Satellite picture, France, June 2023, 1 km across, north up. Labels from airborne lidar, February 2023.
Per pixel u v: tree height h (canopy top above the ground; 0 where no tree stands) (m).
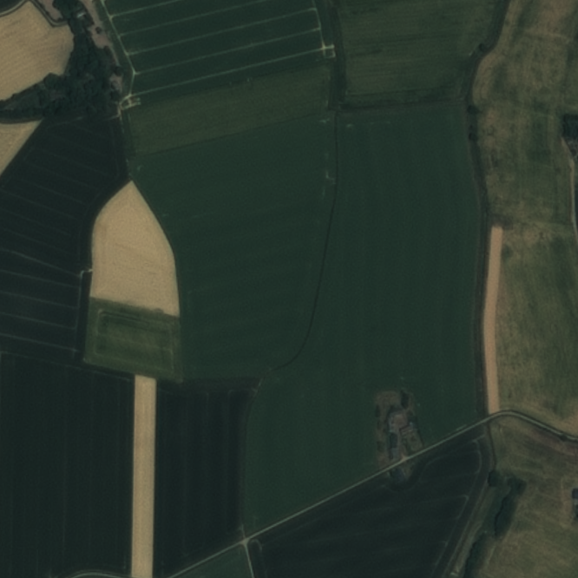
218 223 0
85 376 0
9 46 0
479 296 0
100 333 0
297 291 0
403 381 0
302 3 0
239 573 0
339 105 0
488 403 0
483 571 0
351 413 0
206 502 0
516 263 0
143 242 0
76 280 0
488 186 0
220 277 0
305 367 0
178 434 0
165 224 0
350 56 0
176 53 0
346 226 0
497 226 0
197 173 0
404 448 0
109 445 0
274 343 0
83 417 0
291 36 0
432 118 0
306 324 0
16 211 0
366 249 0
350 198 0
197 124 0
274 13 0
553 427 0
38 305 0
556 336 0
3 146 0
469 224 0
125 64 0
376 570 0
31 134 0
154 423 0
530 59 0
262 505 0
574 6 0
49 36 0
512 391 0
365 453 0
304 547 0
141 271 0
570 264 0
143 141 0
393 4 0
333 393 0
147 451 0
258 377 0
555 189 0
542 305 0
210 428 0
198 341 0
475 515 0
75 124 0
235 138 0
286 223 0
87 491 0
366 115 0
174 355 0
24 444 0
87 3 0
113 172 0
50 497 0
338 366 0
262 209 0
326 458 0
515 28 0
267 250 0
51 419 0
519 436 0
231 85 0
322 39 0
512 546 0
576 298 0
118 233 0
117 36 0
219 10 0
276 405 0
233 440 0
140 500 0
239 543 0
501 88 0
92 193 0
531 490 0
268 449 0
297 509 0
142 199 0
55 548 0
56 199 0
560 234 0
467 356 0
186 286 0
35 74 0
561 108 0
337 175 0
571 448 0
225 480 0
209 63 0
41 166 0
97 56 9
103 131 0
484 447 0
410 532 0
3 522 0
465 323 0
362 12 0
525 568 0
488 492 0
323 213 0
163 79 0
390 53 0
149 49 0
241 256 0
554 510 0
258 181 0
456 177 0
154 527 0
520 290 0
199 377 0
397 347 0
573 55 0
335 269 0
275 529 0
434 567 0
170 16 0
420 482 0
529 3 0
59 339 0
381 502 0
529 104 0
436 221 0
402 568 0
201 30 0
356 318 0
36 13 0
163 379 0
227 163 0
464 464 0
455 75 0
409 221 0
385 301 0
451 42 0
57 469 0
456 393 0
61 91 6
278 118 0
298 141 0
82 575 0
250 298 0
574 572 0
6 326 0
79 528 0
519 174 0
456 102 0
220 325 0
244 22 0
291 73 0
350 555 0
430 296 0
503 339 0
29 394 0
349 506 0
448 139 0
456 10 0
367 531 0
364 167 0
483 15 0
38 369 0
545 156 0
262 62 0
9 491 0
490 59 0
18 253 0
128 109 0
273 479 0
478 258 0
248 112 0
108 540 0
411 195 0
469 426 0
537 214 0
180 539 0
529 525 0
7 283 0
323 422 0
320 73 0
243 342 0
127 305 0
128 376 0
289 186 0
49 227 0
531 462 0
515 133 0
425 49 0
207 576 0
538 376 0
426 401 0
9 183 0
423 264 0
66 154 0
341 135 0
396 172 0
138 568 0
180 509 0
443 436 0
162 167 0
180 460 0
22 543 0
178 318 0
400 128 0
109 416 0
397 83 0
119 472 0
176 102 0
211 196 0
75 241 0
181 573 0
